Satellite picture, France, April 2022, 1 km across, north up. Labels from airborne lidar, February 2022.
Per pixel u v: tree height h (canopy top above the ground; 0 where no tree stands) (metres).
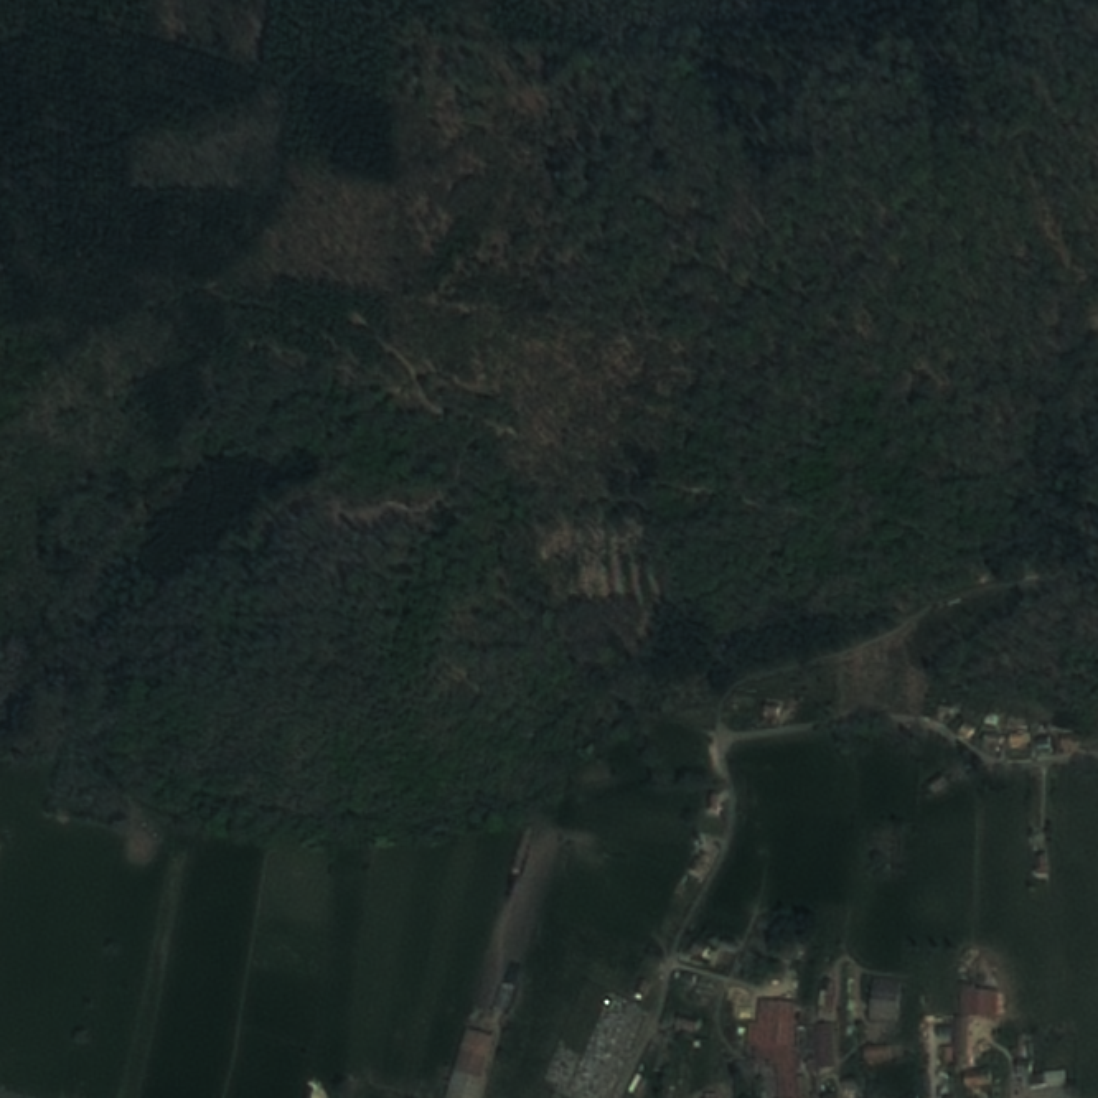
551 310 19
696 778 17
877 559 31
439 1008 0
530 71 27
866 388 28
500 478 29
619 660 21
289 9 21
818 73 28
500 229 0
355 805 21
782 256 31
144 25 13
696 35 30
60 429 14
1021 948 0
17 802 0
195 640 14
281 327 22
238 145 14
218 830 24
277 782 24
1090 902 0
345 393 15
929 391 31
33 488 13
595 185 21
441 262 7
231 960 0
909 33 7
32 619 10
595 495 18
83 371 14
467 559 27
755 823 0
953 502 28
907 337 30
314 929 0
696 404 26
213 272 14
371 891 0
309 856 0
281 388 27
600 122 27
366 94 21
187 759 19
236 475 13
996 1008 0
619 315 28
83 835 0
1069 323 30
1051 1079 0
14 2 13
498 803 27
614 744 21
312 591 26
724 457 28
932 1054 0
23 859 0
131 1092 0
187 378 18
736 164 28
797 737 0
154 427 17
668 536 28
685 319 28
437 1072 0
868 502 20
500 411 14
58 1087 0
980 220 31
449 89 25
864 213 30
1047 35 26
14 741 30
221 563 26
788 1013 0
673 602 23
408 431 23
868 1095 7
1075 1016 0
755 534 30
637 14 21
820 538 19
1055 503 30
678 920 0
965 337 26
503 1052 9
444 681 27
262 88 20
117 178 19
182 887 0
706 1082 0
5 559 7
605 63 29
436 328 11
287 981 0
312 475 17
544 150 8
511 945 0
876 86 27
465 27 13
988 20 29
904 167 28
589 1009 0
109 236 18
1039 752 0
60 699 29
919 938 0
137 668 23
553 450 14
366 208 15
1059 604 28
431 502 0
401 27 19
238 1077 0
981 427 29
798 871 0
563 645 35
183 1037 0
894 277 30
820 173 31
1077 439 25
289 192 15
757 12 22
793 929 19
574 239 26
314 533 29
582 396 13
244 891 0
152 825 0
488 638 18
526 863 0
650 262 27
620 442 9
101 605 27
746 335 30
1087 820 0
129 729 15
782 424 29
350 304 23
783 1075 0
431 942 0
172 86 17
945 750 0
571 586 0
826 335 29
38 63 16
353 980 0
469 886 0
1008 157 19
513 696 32
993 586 0
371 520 0
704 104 29
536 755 11
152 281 18
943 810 0
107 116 14
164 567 9
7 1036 0
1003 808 0
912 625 0
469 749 9
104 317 17
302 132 15
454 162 11
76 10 14
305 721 23
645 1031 0
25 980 0
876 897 0
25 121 18
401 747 14
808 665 13
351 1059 0
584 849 0
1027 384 29
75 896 0
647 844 0
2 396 31
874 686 0
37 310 19
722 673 19
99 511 28
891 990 0
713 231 30
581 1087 0
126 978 0
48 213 15
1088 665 19
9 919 0
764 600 23
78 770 15
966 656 32
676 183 31
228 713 16
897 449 30
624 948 0
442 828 22
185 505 12
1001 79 17
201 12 14
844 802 0
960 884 0
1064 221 16
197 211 17
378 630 22
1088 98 25
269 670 17
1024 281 28
